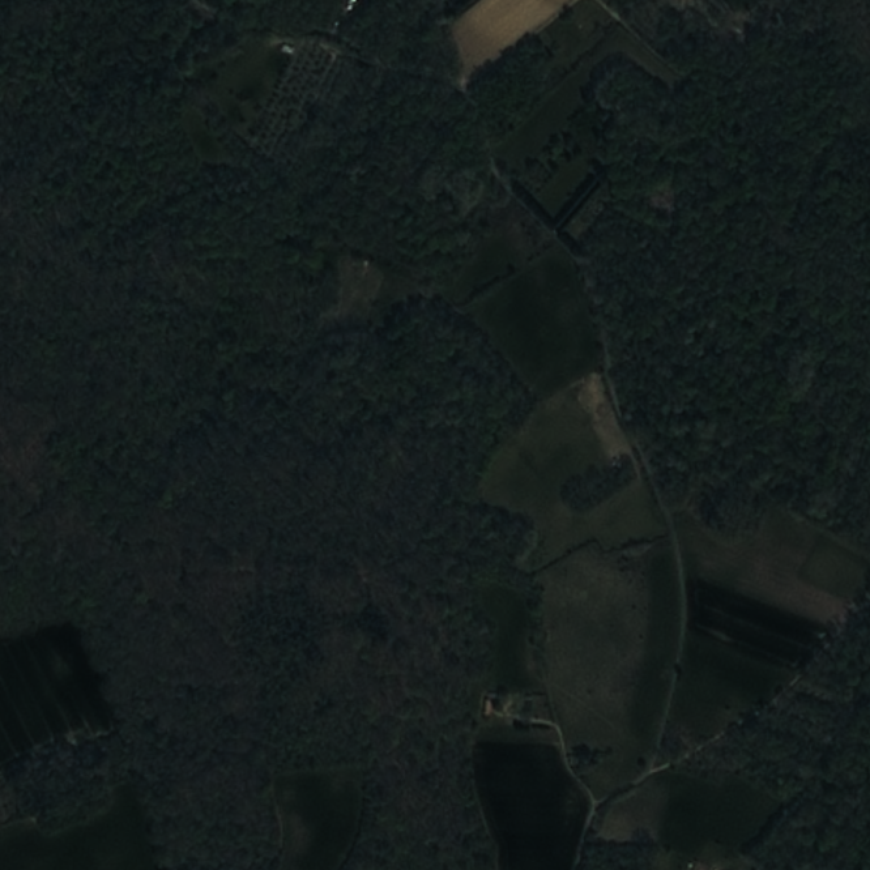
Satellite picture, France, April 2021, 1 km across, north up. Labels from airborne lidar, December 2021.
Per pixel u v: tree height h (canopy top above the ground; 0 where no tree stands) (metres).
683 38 19
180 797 24
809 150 28
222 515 17
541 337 0
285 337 26
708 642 0
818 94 25
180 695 19
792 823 26
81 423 17
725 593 0
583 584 0
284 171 14
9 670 0
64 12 6
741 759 18
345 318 0
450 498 19
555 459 0
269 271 24
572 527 0
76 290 24
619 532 0
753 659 0
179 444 17
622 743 0
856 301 25
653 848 34
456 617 20
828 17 19
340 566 21
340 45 10
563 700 0
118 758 12
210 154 0
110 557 25
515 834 0
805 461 27
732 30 20
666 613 0
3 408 22
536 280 0
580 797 0
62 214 24
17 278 25
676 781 0
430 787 25
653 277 27
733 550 0
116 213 21
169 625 28
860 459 23
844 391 27
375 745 12
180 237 20
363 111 30
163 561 27
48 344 16
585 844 6
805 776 19
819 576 0
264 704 17
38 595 21
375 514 9
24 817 9
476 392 27
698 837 0
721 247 25
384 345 26
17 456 27
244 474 24
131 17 21
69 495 24
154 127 21
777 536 0
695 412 9
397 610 13
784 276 23
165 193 25
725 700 0
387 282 0
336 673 22
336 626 19
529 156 0
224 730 25
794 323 26
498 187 20
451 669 28
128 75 14
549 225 15
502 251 0
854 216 24
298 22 21
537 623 5
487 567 19
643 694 0
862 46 26
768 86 18
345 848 0
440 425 23
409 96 28
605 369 8
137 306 20
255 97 0
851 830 27
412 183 30
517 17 0
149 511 22
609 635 0
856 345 24
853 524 34
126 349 13
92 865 0
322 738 12
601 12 0
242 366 27
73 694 0
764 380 30
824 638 0
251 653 20
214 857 21
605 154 17
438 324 28
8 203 25
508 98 14
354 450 28
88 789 19
